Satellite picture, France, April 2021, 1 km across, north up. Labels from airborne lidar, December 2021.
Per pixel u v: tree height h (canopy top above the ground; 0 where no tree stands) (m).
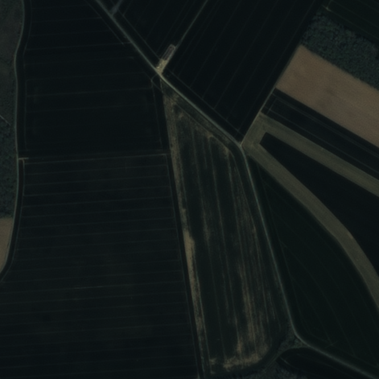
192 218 0
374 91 0
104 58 0
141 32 0
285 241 0
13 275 0
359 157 0
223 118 0
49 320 0
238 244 0
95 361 0
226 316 0
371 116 0
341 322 0
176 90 0
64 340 0
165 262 0
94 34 0
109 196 0
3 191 22
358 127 0
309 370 0
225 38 0
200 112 0
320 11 0
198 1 0
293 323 0
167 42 0
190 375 0
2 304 0
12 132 11
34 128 0
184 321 0
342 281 0
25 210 0
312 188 0
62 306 0
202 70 0
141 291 0
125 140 0
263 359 0
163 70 0
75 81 0
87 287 0
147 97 0
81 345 0
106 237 0
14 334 0
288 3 0
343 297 0
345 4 0
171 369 0
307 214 0
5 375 0
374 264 0
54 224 0
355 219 0
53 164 0
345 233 0
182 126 0
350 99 0
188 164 0
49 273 0
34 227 0
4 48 0
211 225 0
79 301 0
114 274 0
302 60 0
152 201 0
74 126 0
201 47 0
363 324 0
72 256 0
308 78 0
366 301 0
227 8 0
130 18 0
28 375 0
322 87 0
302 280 0
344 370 0
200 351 0
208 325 0
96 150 0
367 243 0
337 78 0
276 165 0
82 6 0
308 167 0
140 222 0
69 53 0
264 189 0
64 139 0
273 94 0
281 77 0
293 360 0
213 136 0
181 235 0
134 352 0
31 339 0
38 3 0
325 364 0
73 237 0
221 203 0
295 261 0
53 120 0
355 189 0
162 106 0
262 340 0
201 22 0
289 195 0
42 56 0
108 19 0
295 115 0
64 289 0
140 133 0
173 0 0
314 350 0
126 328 0
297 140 0
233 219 0
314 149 0
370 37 0
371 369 0
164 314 0
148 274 0
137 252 0
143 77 0
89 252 0
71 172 0
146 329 0
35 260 0
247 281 0
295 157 0
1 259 0
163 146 0
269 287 0
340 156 0
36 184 0
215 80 0
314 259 0
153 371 0
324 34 18
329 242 0
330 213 0
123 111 0
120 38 0
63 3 0
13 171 15
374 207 0
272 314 0
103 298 0
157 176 0
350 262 0
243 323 0
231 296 0
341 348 0
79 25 0
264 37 0
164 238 0
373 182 0
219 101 0
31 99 0
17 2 6
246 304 0
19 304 0
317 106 0
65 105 0
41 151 0
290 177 0
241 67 0
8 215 14
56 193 0
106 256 0
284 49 0
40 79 0
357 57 19
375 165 0
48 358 0
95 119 0
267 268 0
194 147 0
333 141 0
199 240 0
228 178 0
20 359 0
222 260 0
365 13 0
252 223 0
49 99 0
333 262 0
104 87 0
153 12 0
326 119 0
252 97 0
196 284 0
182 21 0
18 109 0
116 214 0
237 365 0
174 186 0
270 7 0
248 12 0
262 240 0
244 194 0
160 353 0
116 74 0
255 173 0
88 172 0
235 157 0
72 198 0
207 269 0
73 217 0
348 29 16
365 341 0
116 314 0
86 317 0
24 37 0
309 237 0
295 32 0
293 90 0
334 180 0
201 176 0
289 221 0
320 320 0
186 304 0
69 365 0
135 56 0
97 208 0
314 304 0
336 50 20
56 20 0
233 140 0
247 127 0
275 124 0
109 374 0
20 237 0
